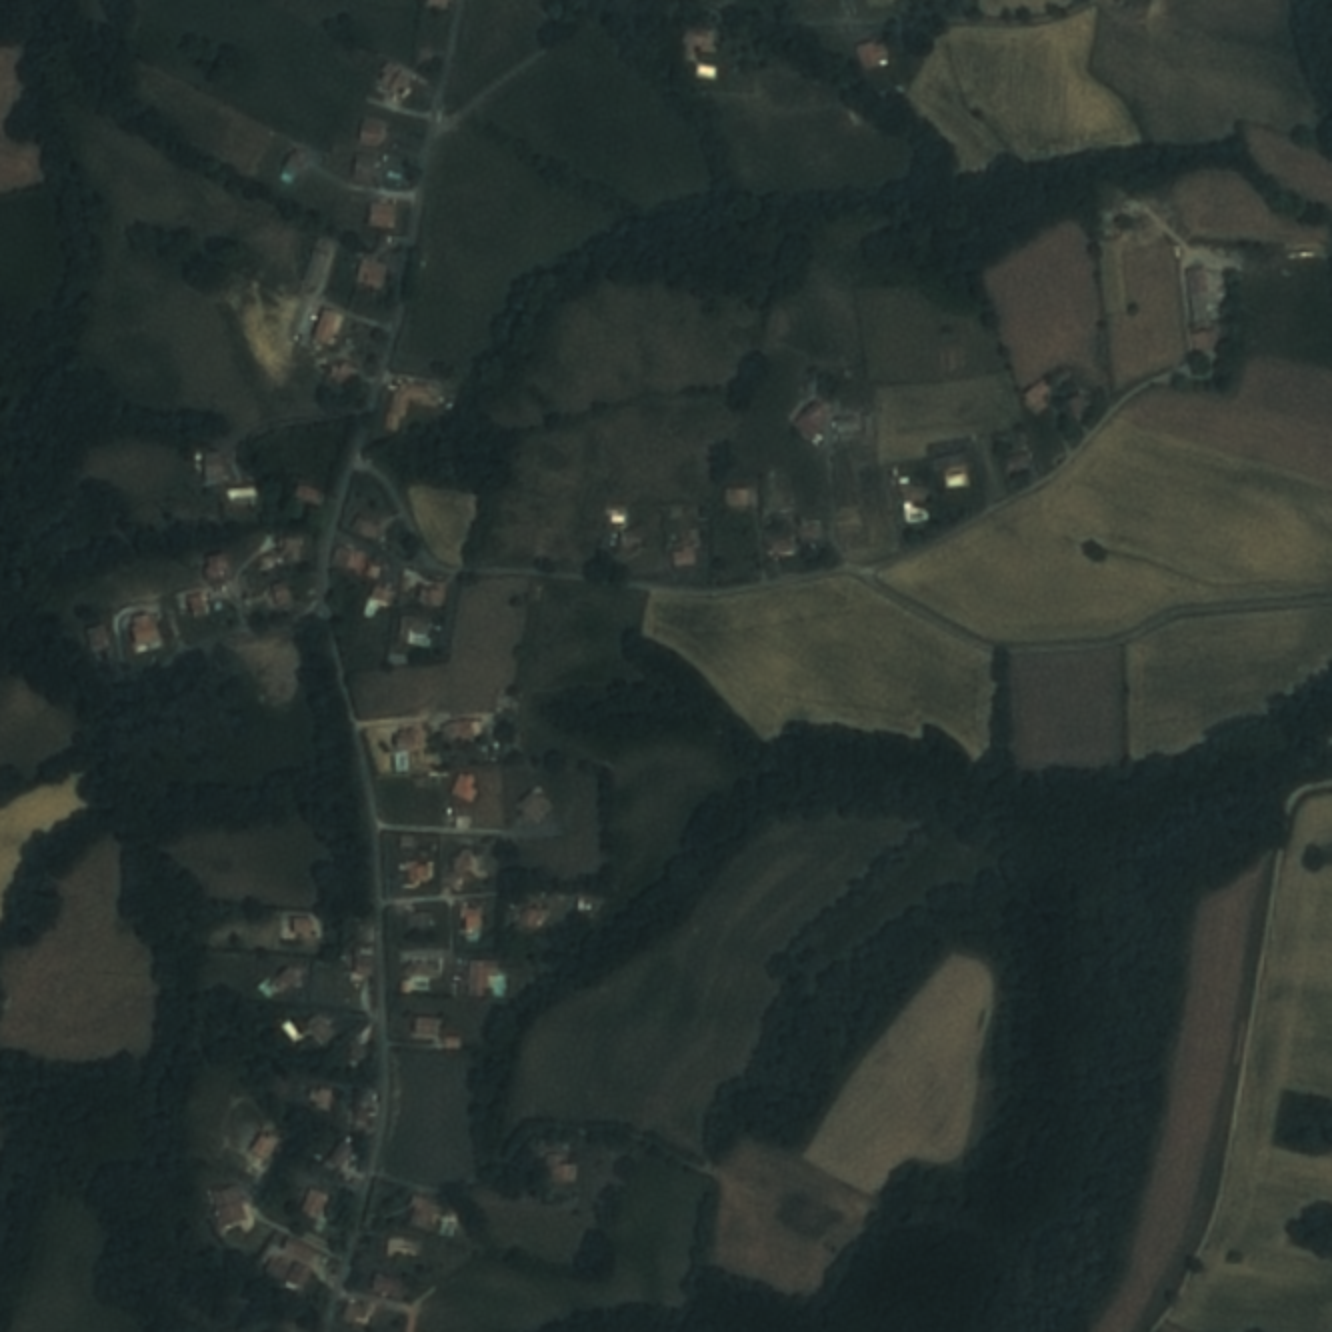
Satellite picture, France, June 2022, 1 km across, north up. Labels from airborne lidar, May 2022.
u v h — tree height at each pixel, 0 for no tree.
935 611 0
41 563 27
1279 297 0
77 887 0
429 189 0
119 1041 0
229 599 0
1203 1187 0
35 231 0
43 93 22
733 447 8
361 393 11
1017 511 0
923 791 18
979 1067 0
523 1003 14
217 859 0
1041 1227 16
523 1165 15
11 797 10
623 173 0
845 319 0
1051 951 24
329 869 17
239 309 0
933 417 0
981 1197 18
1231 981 0
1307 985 0
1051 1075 19
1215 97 0
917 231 26
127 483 0
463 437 20
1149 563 0
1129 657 0
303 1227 7
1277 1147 0
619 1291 0
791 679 0
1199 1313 0
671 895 20
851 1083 0
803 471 0
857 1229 0
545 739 0
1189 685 0
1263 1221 0
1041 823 16
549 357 0
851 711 0
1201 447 0
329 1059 16
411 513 0
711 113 10
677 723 16
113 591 0
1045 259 0
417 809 0
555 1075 0
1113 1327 0
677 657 15
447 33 0
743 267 9
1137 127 0
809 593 0
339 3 0
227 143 0
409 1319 0
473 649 0
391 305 7
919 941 21
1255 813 11
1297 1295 0
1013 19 9
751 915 0
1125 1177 12
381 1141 0
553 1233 0
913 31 17
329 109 0
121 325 0
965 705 0
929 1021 0
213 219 0
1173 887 10
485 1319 0
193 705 26
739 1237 0
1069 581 0
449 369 8
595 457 0
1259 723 17
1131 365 0
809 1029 21
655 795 0
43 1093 15
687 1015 0
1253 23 0
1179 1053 0
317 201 0
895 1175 7
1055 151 0
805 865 0
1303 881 0
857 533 0
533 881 15
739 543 0
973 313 7
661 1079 0
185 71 0
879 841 0
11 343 11
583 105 0
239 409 0
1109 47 0
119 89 15
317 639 16
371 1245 12
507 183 0
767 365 18
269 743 0
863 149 0
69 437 23
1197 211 0
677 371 0
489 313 0
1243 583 0
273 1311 21
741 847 7
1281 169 0
